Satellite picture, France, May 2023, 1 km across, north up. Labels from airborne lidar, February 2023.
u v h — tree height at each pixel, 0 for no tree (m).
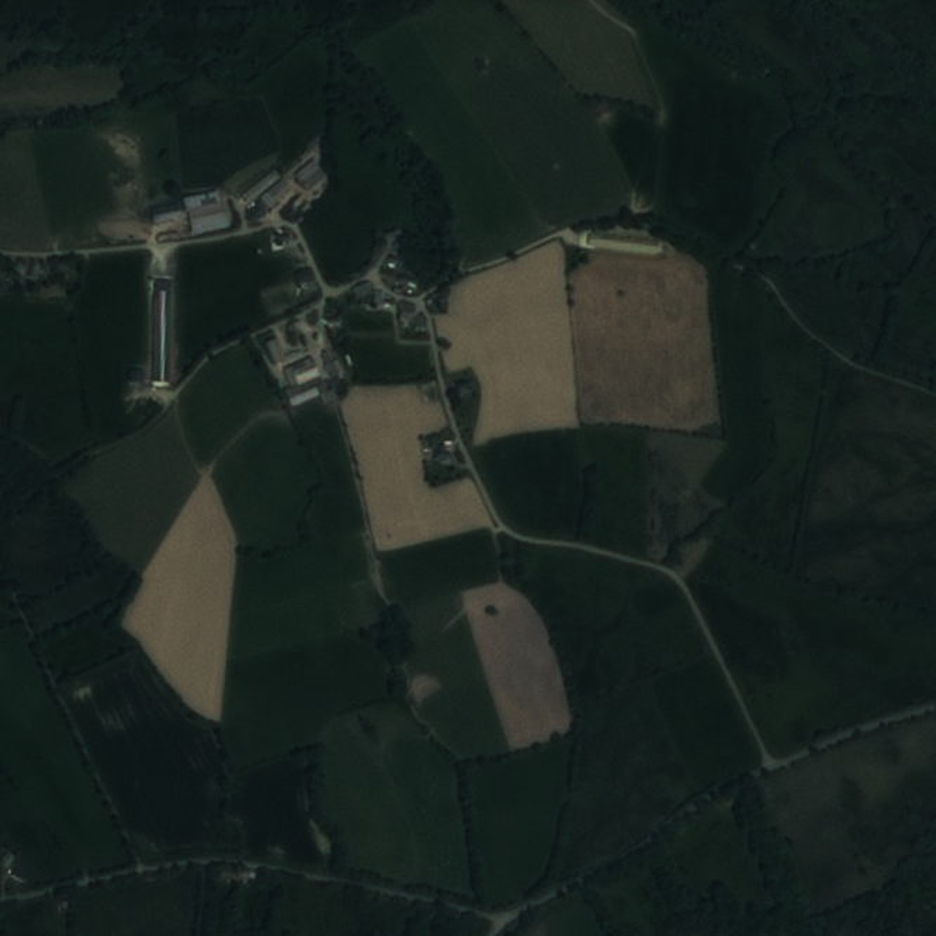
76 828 0
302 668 0
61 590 7
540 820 0
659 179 0
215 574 0
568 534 0
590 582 0
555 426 0
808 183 0
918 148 0
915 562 0
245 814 0
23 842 0
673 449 0
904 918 8
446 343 10
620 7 10
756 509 0
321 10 0
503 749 0
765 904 0
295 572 0
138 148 0
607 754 0
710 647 0
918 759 0
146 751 0
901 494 0
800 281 0
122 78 11
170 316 0
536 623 0
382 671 0
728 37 7
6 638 0
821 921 10
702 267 0
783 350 0
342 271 0
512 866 0
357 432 0
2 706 0
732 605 0
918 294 0
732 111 0
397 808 0
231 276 0
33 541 0
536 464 0
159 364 0
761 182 0
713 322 6
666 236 11
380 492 0
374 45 0
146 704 0
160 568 0
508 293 0
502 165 0
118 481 0
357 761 0
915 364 0
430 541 0
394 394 0
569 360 0
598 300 0
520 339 0
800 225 0
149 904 0
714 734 0
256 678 0
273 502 0
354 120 7
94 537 7
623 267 0
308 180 0
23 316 0
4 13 0
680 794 0
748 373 0
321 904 0
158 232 0
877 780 0
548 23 0
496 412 0
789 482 0
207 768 0
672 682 0
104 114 9
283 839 0
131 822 0
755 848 14
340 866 18
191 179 0
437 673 0
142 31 7
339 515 0
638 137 0
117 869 6
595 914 13
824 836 0
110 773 0
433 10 0
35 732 0
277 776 0
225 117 0
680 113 0
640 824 0
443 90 0
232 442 0
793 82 8
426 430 0
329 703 0
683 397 0
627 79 0
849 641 0
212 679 0
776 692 0
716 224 0
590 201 0
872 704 0
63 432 0
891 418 0
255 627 0
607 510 0
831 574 0
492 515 0
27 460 17
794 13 7
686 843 0
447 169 0
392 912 0
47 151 0
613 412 0
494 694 0
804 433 0
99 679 0
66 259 10
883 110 13
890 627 0
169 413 0
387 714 0
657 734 0
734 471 0
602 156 0
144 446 0
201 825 0
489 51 0
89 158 0
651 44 0
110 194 0
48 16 0
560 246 0
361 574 0
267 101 0
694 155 0
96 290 0
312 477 0
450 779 0
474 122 0
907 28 0
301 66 0
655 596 0
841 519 0
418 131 0
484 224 0
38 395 0
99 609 11
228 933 8
